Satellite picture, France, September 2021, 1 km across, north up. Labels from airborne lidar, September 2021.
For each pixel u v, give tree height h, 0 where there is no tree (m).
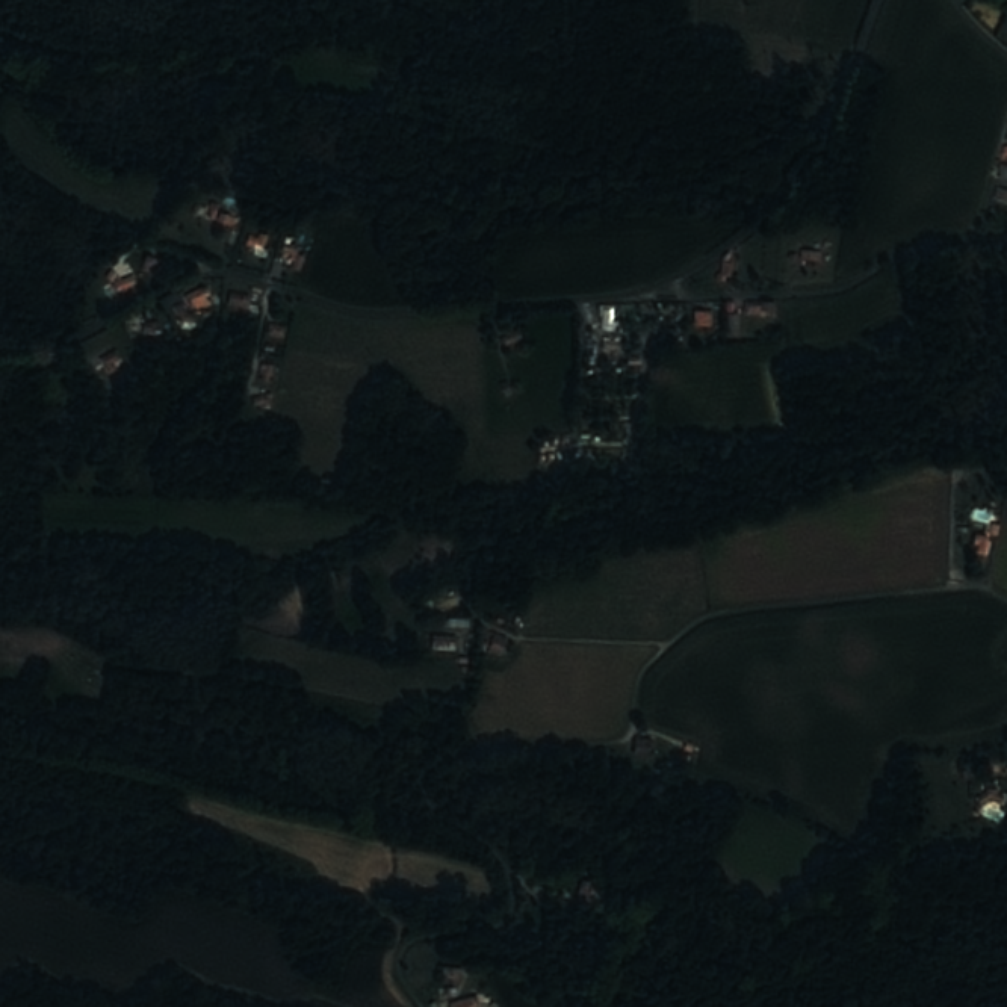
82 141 15
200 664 20
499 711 0
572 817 8
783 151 24
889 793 22
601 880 15
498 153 27
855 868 28
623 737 0
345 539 7
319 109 15
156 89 11
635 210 24
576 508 22
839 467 31
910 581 0
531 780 16
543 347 0
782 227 19
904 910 22
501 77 24
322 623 15
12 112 0
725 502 30
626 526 21
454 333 0
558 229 18
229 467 21
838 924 16
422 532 8
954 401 12
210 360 23
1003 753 6
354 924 19
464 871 0
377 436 27
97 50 14
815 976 22
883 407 29
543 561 26
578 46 22
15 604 21
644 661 0
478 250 21
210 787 17
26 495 9
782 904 17
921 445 21
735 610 0
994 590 0
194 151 19
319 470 0
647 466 26
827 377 26
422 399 6
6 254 9
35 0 15
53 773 12
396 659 15
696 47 19
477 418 0
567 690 0
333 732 29
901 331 20
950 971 23
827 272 0
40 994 21
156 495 11
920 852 15
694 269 0
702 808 25
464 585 12
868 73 21
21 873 19
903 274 20
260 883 7
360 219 15
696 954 13
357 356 0
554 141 24
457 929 12
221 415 21
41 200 12
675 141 21
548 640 0
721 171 28
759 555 0
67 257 6
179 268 17
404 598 10
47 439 26
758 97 20
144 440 10
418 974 0
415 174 20
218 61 19
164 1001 23
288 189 29
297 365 0
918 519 0
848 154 24
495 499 15
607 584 0
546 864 21
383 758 22
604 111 27
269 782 25
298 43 15
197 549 20
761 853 0
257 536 0
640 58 21
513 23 24
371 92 0
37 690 13
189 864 14
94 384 26
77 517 0
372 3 19
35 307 14
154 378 26
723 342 8
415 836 19
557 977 19
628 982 18
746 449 19
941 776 0
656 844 17
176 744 30
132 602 15
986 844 10
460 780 9
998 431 14
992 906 17
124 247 19
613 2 20
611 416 9
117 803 13
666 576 0
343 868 0
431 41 26
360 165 13
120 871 10
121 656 20
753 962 18
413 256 25
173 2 18
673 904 23
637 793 18
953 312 26
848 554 0
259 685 13
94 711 15
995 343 33
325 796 12
